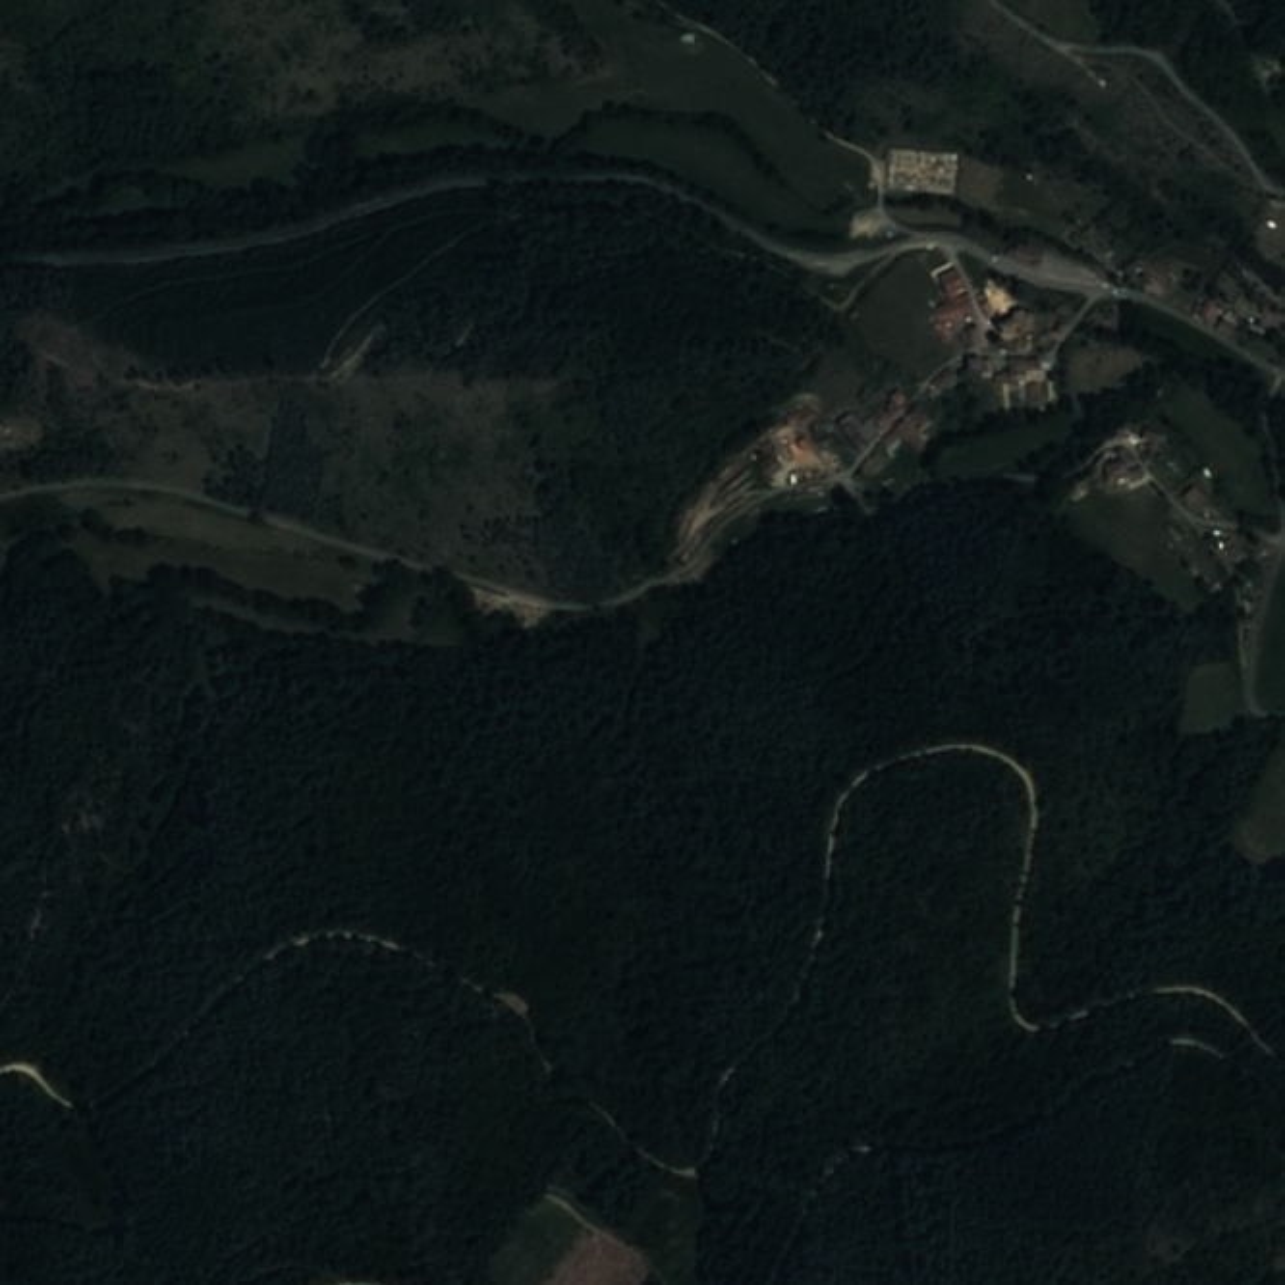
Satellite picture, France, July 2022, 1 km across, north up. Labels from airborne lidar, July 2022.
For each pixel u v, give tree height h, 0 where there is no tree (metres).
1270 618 0
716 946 18
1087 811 10
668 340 17
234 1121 18
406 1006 12
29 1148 12
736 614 6
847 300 0
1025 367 0
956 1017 6
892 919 10
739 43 16
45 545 21
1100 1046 11
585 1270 0
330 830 9
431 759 18
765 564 15
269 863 10
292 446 7
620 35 0
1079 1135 21
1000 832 14
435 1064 22
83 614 20
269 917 8
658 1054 24
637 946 11
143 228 24
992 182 0
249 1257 13
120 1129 21
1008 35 0
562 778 8
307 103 7
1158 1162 10
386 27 8
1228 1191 9
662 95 0
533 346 13
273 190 27
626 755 21
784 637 10
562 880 13
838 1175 7
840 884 11
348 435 7
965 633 13
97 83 28
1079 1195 22
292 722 17
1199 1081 14
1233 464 0
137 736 8
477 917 19
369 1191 16
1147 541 0
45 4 6
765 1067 15
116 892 9
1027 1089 13
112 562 0
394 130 15
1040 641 16
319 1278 8
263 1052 14
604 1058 27
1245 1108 11
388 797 16
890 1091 8
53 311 19
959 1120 14
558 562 8
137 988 21
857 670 9
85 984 22
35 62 13
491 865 12
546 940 10
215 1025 16
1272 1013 19
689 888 23
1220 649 13
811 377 9
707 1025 17
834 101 6
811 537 15
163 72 11
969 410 7
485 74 10
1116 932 19
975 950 12
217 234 14
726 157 0
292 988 13
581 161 10
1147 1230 7
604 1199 25
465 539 9
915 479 0
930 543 23
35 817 11
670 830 28
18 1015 14
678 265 18
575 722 20
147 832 24
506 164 24
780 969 15
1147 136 0
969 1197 24
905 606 12
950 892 14
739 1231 20
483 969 20
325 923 15
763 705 15
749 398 11
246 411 0
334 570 0
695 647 9
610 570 10
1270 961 13
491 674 15
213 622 15
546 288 16
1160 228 14
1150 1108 15
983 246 0
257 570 0
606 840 16
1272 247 0
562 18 13
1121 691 25
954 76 7
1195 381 19
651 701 25
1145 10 11
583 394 9
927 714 10
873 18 8
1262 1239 7
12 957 13
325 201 25
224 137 12
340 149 27
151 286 6
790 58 12
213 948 11
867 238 0
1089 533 0
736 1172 14
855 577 14
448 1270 12
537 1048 11
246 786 8
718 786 12
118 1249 22
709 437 9
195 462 0
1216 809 21
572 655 18
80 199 20
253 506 14
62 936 10
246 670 8
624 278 19
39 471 13
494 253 6
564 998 13
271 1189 15
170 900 9
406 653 17
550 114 0
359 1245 15
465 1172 12
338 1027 12
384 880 15
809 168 0
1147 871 22
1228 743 22
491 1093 20
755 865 15
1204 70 8
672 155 0
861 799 7
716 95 0
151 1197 20
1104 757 16
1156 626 20
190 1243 16
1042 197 0
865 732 7
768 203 0
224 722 15
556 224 19
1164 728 12
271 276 7
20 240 17
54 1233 14
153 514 0
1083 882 13
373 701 12
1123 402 6
